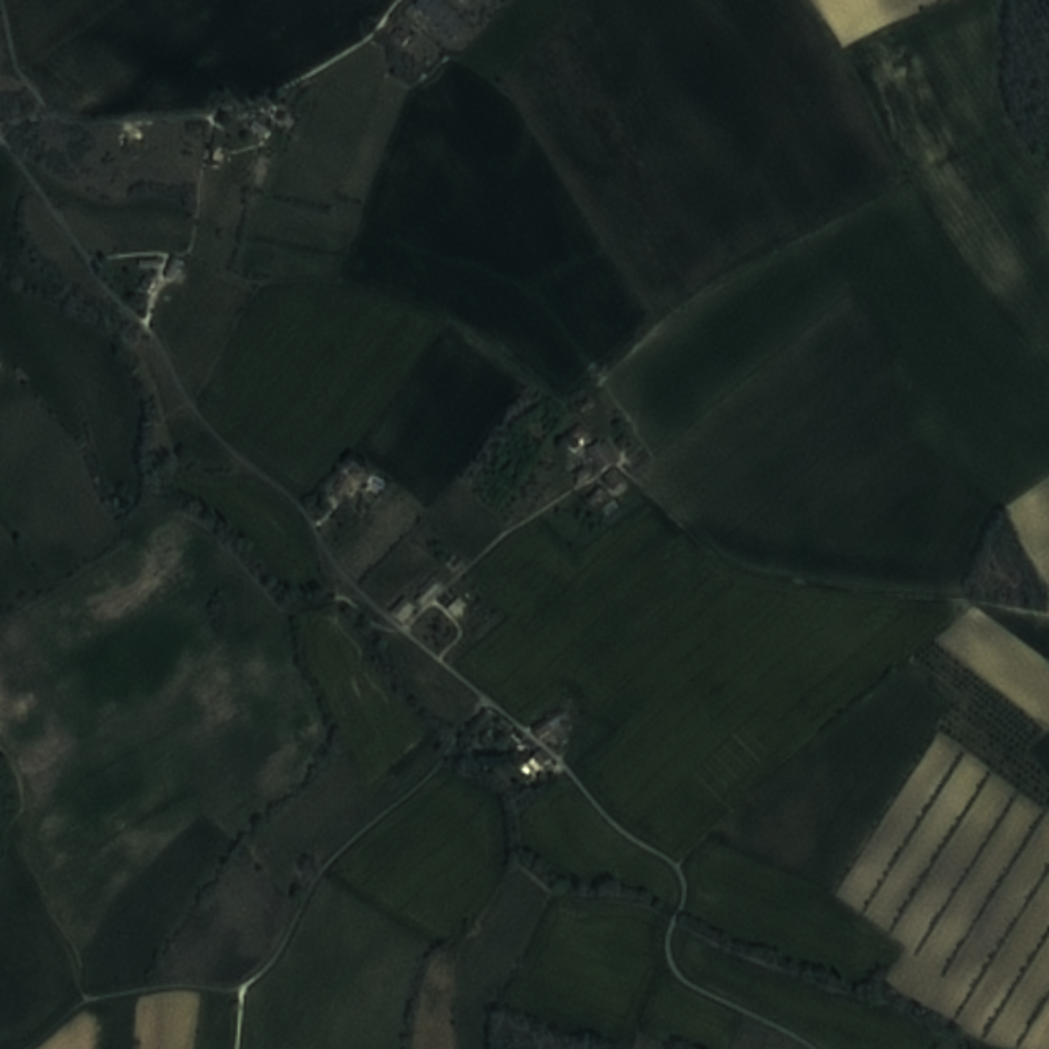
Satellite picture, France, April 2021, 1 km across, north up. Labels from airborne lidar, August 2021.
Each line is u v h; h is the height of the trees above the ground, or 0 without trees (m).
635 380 0
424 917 0
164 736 0
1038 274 0
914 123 0
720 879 0
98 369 0
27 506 0
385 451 0
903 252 0
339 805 0
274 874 0
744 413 0
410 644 0
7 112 12
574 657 0
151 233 0
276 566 0
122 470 0
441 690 0
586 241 0
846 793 0
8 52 0
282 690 0
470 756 12
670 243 0
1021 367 0
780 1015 0
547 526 0
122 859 0
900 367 0
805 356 0
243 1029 0
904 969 0
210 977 0
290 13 0
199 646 0
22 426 0
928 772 0
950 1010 0
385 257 0
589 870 0
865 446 0
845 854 0
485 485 7
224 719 0
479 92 0
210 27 0
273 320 0
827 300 0
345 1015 0
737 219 0
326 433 0
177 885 0
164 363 0
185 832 0
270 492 0
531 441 9
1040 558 0
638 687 0
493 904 0
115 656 0
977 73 0
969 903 0
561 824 0
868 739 0
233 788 0
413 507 0
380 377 0
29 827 0
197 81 0
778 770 0
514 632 0
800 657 0
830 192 0
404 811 0
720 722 0
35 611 0
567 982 0
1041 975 0
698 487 0
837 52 0
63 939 0
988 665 0
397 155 0
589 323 0
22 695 0
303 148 0
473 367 0
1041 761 0
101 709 0
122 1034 0
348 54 0
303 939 0
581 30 0
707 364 0
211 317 0
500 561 0
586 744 0
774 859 0
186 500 15
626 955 0
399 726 0
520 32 0
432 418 0
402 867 0
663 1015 0
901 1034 0
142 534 0
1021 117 17
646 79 0
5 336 0
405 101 0
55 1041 0
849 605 0
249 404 0
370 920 0
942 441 0
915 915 0
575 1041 13
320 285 0
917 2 0
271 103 13
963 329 0
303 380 0
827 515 0
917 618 0
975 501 0
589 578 0
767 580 0
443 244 0
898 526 0
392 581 0
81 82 0
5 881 0
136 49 0
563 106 0
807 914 0
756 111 0
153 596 0
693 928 14
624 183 0
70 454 0
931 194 0
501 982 0
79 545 0
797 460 0
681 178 0
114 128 0
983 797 0
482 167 0
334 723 10
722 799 0
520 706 0
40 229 0
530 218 0
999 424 0
